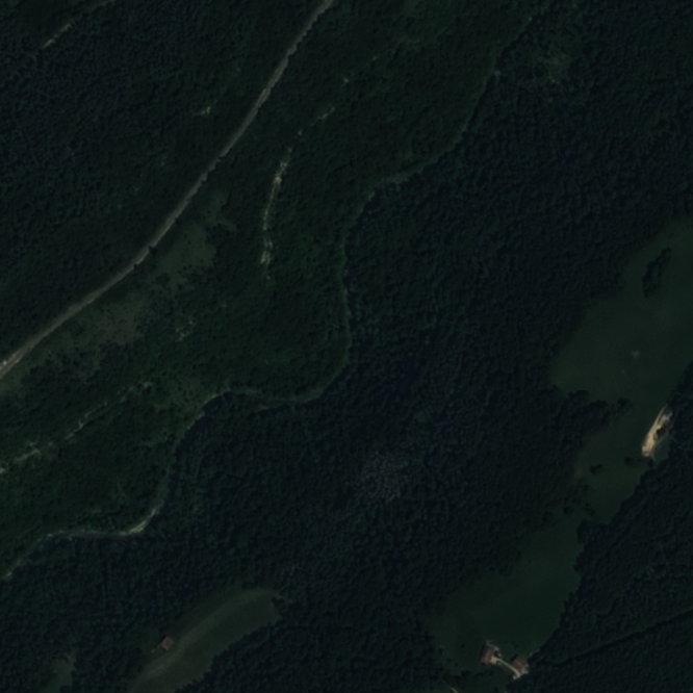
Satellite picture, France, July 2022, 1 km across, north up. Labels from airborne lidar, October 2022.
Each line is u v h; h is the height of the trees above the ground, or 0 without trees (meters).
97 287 11
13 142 21
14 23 27
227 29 13
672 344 0
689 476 31
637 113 26
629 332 0
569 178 33
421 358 21
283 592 17
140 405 8
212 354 7
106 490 6
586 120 31
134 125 15
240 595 0
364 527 26
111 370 12
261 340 10
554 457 32
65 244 10
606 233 31
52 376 9
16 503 21
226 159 19
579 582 0
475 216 30
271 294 11
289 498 25
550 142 32
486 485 26
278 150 14
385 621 28
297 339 22
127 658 29
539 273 34
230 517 30
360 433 27
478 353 23
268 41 14
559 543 0
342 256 19
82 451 18
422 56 31
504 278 32
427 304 20
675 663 24
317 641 29
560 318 33
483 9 37
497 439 25
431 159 26
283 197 18
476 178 23
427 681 30
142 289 12
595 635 31
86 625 22
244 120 8
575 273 33
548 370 14
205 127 20
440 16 11
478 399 11
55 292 24
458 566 35
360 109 26
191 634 0
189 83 13
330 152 16
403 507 27
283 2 18
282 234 12
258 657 29
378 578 39
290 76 16
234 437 12
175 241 6
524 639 0
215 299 17
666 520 24
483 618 0
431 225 20
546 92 21
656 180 32
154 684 0
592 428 24
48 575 28
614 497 0
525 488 30
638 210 25
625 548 30
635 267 0
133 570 26
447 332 20
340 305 24
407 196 24
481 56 28
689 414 24
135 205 16
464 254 17
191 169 15
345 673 28
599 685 32
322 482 29
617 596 29
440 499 26
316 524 33
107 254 17
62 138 19
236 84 16
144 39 20
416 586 29
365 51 17
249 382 8
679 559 31
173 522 18
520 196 27
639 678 30
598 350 0
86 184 9
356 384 22
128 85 28
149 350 11
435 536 36
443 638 0
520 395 34
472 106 18
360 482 25
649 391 0
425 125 18
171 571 26
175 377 6
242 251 14
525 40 20
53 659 7
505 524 32
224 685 27
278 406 0
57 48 23
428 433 33
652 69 17
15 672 28
